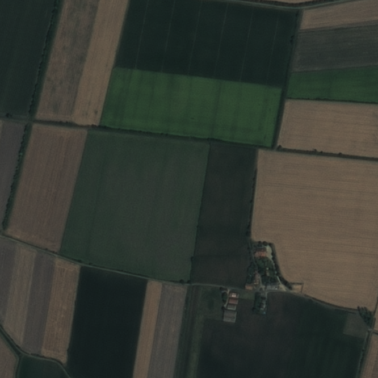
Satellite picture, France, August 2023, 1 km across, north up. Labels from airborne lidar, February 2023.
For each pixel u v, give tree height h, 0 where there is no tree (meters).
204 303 0
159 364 0
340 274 0
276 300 0
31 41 0
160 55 0
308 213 0
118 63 0
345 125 0
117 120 0
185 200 0
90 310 0
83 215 0
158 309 0
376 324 0
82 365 0
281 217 0
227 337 0
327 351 0
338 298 0
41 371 0
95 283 0
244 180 0
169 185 0
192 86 0
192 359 0
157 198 0
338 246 0
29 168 0
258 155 0
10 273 0
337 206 0
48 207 0
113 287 0
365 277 0
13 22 0
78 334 0
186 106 0
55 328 0
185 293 0
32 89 0
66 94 0
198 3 0
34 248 0
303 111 0
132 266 0
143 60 0
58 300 0
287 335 0
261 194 0
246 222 0
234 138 0
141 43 0
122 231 0
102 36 0
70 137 0
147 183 0
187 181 0
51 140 0
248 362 0
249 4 0
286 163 0
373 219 0
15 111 0
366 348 0
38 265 0
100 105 0
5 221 5
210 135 0
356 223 0
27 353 0
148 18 0
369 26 0
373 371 0
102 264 0
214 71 0
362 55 0
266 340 0
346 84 0
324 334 0
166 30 0
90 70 0
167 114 0
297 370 0
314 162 0
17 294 0
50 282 0
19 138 0
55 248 0
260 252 0
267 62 0
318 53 0
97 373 0
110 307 0
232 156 0
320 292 0
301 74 0
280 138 0
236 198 0
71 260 0
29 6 0
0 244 0
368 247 0
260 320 0
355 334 0
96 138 0
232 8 0
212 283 0
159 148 0
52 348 0
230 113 0
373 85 0
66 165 0
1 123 0
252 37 0
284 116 0
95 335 0
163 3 0
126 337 0
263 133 0
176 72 0
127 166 0
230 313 0
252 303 0
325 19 0
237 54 0
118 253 0
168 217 0
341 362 0
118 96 0
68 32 0
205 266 0
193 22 0
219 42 0
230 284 0
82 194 0
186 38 0
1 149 0
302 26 0
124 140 0
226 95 0
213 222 0
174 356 0
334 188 0
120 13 0
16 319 0
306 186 0
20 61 0
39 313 0
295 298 0
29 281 0
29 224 0
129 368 0
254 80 0
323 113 0
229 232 0
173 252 0
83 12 0
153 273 0
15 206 0
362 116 0
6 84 0
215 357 0
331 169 0
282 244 0
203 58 0
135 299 0
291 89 0
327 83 0
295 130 0
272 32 0
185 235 0
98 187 0
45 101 0
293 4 7
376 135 0
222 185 0
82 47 0
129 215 0
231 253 0
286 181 0
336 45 0
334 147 0
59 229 0
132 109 0
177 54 0
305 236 0
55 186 0
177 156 0
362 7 0
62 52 0
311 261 0
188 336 0
